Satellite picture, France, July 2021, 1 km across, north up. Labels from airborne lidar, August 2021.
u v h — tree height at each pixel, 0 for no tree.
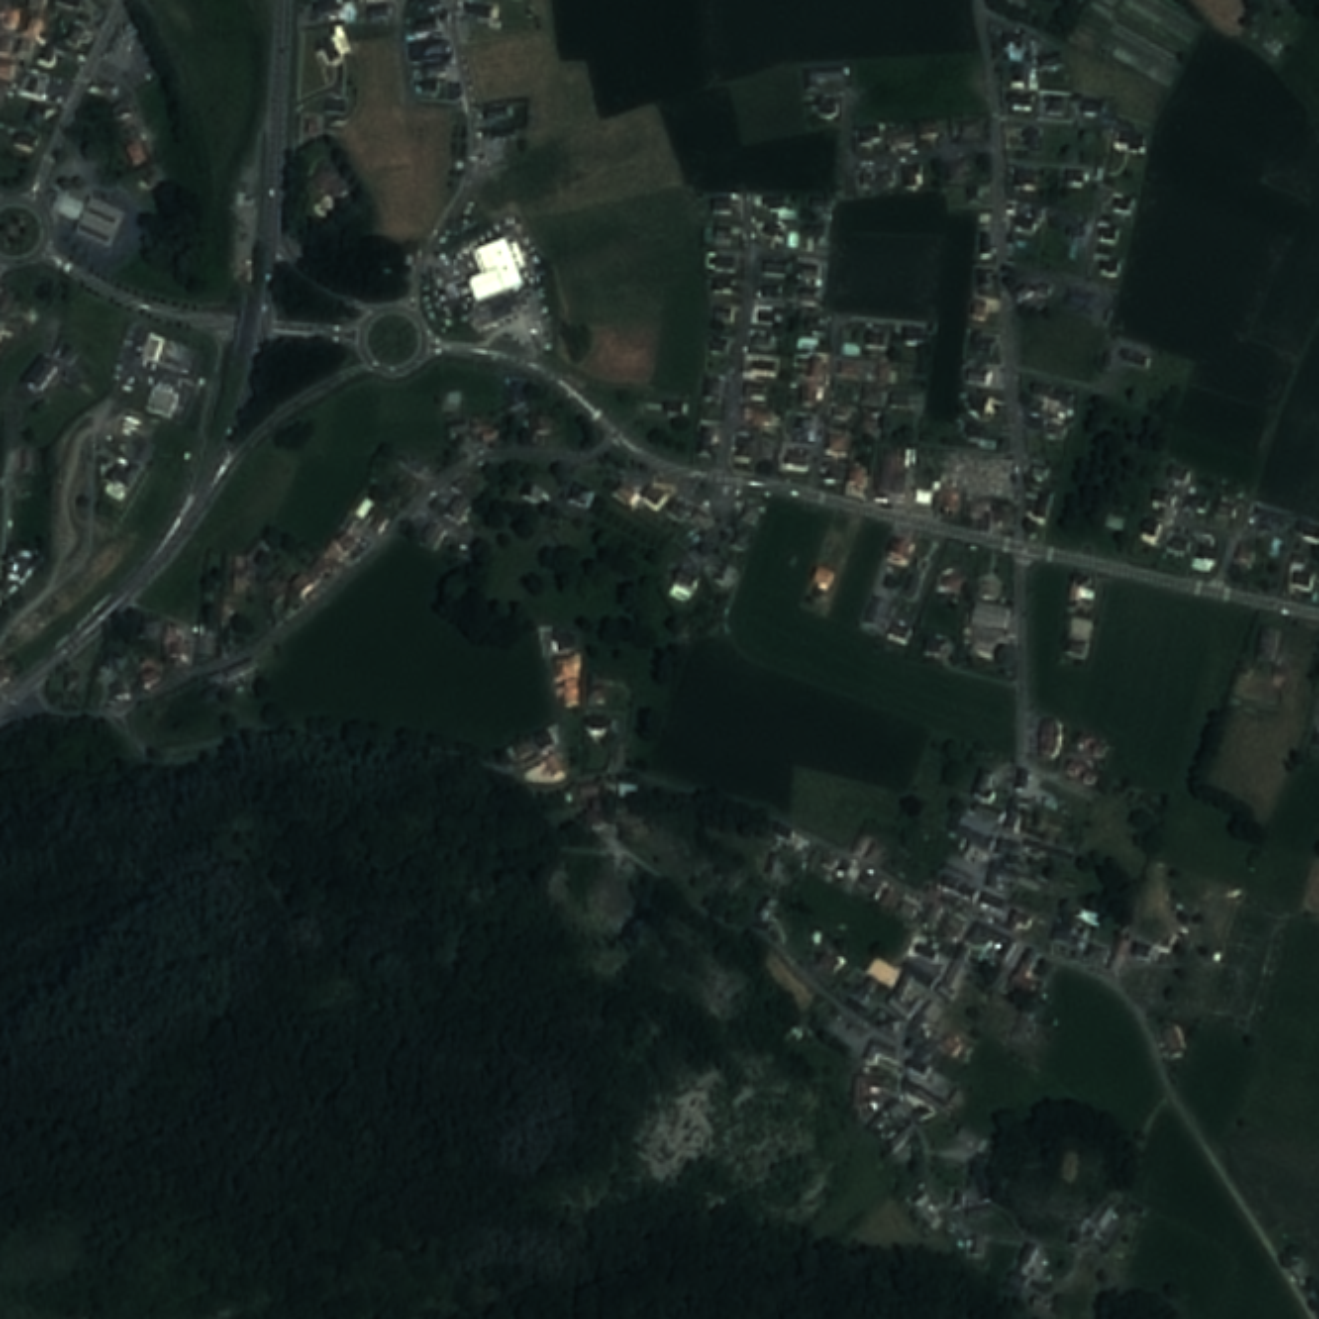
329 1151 20
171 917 29
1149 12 0
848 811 0
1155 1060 0
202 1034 22
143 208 0
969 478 0
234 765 14
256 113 0
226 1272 9
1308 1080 0
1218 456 0
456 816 13
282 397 19
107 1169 20
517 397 0
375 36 0
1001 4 12
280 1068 25
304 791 15
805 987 0
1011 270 13
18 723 11
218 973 34
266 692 16
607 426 0
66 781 14
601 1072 16
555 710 0
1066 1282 0
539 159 0
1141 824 12
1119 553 0
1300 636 0
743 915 14
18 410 0
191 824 13
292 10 0
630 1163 9
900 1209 0
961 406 9
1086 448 0
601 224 0
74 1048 28
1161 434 11
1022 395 6
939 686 0
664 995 13
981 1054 0
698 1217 24
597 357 0
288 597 7
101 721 11
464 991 20
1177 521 0
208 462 0
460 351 0
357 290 22
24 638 0
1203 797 21
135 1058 27
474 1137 12
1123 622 0
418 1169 17
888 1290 8
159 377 0
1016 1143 7
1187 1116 0
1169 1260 0
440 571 0
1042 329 0
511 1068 22
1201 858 0
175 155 0
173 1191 8
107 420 0
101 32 0
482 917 13
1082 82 0
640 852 0
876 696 0
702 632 7
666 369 0
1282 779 0
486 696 0
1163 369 0
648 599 25
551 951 15
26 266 0
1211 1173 0
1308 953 0
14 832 29
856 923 0
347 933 15
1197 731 0
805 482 0
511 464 11
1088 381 0
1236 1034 0
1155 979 0
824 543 0
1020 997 12
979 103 0
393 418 0
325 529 0
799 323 7
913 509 0
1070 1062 0
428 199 0
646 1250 29
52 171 0
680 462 0
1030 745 0
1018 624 0
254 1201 22
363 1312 23
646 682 0
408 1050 22
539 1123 19
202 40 0
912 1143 6
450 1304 20
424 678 0
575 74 0
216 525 0
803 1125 8
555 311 0
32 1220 13
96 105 7
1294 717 0
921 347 9
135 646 8
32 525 0
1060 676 0
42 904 22
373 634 0
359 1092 23
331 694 0
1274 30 0
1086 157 10
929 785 0
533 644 0
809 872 0
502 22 0
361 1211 14
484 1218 14
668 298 0
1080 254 0
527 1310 30
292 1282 17
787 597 0
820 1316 26
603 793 10
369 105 0
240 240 0
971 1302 11
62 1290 7
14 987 12
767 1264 29
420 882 11
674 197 0
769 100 0
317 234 17
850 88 0
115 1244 7
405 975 24
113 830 28
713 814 15
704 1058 14
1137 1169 21
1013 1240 0
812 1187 15
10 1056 22
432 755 18
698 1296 27
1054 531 0
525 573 0
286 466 0
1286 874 0
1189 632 0
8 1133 10
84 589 0
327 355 20
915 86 0
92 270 7
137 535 0
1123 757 0
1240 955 0
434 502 7
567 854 6
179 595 0
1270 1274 0
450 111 0
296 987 15
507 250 0
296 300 19
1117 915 21
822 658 0
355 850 17
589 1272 20
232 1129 18
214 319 0
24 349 0
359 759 27
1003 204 0
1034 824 6
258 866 12
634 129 0
